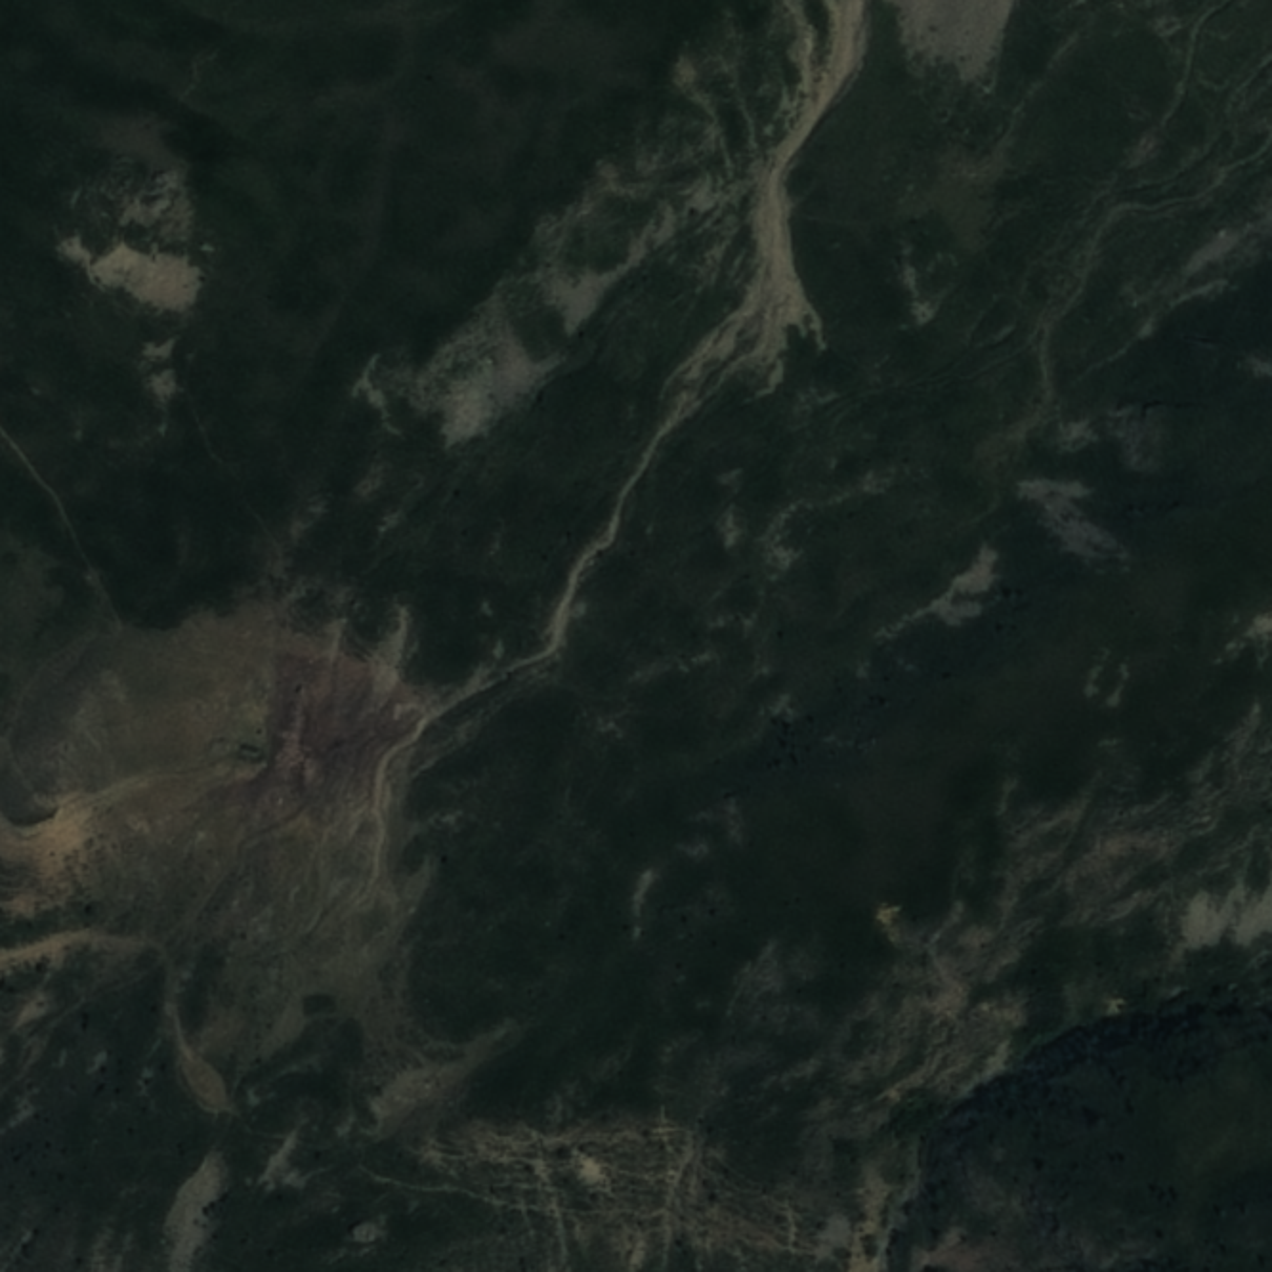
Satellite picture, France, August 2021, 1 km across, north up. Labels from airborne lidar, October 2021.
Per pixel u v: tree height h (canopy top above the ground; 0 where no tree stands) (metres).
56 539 0
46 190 0
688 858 0
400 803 0
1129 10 0
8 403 0
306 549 0
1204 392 0
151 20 0
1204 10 0
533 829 0
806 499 0
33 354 0
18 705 0
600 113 0
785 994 0
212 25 0
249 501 0
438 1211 0
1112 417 0
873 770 0
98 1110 0
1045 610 0
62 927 0
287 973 0
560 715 0
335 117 0
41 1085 0
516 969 0
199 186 0
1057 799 0
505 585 0
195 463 0
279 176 0
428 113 0
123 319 0
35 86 0
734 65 0
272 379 0
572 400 0
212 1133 0
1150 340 0
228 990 0
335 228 0
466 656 0
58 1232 0
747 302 0
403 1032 0
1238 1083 0
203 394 0
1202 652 0
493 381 0
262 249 0
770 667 0
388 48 0
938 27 0
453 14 0
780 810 0
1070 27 0
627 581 0
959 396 0
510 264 0
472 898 0
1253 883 0
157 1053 0
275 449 0
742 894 0
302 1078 0
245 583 0
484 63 0
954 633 0
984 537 0
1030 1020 10
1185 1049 7
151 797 0
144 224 0
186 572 0
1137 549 0
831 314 0
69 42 0
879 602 0
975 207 0
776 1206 0
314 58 0
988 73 0
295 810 0
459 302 0
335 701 0
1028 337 0
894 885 0
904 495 0
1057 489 0
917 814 0
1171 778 0
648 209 0
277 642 0
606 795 0
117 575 0
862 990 0
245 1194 0
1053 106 0
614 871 0
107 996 0
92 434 0
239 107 0
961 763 0
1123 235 0
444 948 0
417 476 0
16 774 0
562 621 0
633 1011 0
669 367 0
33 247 0
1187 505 0
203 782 0
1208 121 0
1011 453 0
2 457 0
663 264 0
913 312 0
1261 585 0
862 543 0
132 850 0
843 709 0
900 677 0
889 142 0
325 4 0
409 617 0
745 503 0
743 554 0
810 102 0
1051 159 0
